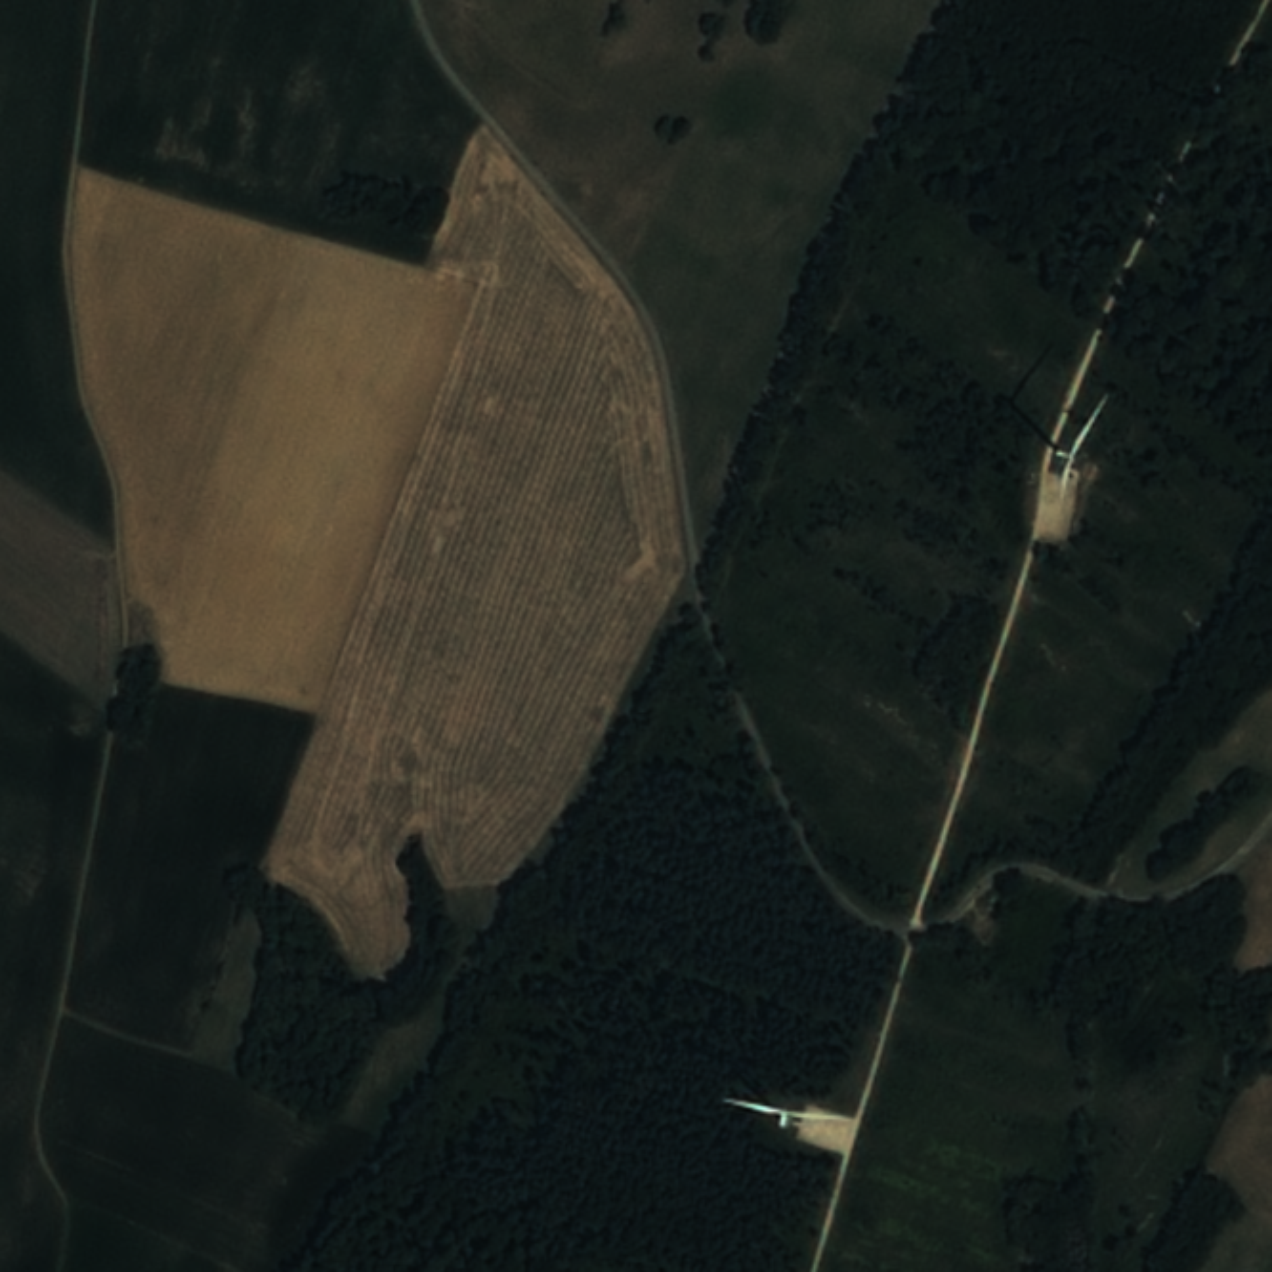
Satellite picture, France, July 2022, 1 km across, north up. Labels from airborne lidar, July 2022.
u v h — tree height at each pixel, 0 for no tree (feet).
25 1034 0
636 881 96
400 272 0
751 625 0
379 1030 46
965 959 59
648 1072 79
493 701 0
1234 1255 0
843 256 63
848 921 55
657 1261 65
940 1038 0
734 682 50
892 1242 0
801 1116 0
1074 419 46
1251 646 92
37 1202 0
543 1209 78
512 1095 0
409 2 0
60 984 0
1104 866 31
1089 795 0
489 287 0
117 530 0
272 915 58
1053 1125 0
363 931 0
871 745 0
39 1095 0
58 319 0
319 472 0
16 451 0
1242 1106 0
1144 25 27
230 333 0
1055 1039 0
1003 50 61
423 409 0
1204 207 92
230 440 0
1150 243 91
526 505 0
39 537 0
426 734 0
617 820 62
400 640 0
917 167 70
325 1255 74
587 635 0
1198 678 69
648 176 0
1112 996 46
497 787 0
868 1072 0
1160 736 64
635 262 0
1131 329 89
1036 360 0
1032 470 0
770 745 0
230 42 0
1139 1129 0
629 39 0
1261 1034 31
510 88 0
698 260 0
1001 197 101
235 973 0
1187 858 67
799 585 0
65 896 0
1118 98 75
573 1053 75
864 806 0
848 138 0
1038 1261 57
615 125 0
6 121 0
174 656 0
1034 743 0
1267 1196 0
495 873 0
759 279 0
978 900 0
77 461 0
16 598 0
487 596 0
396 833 0
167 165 0
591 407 0
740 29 0
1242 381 74
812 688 0
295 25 0
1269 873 0
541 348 0
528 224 0
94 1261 0
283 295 0
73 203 0
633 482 0
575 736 0
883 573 0
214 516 0
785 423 63
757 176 0
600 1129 82
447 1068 65
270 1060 61
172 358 0
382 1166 53
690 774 93
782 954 81
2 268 0
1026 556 0
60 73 0
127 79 0
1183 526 0
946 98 79
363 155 0
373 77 0
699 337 0
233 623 0
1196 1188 61
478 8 0
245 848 0
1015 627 0
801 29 0
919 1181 0
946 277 0
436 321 0
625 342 0
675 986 79
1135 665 0
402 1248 79
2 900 0
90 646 0
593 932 104
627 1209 61
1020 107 79
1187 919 59
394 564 0
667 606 0
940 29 50
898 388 66
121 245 0
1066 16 22
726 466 0
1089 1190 76
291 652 0
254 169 0
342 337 0
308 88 0
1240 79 58
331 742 0
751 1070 69
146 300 0
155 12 0
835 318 35
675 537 0
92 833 0
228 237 0
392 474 0
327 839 0
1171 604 0
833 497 26
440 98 0
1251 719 0
